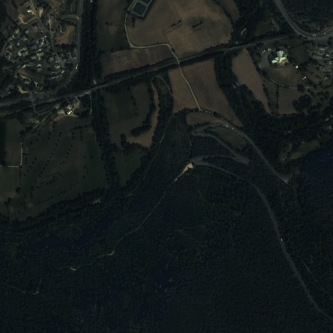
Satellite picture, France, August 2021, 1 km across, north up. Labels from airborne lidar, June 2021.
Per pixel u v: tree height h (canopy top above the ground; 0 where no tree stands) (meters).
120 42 0
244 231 12
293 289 14
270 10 12
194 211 7
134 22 9
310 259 13
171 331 16
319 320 16
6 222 14
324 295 5
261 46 11
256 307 18
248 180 18
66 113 7
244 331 17
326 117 9
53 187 0
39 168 0
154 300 6
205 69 0
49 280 8
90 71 36
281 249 16
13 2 11
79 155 0
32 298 8
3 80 6
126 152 24
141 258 7
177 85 0
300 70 9
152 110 20
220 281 16
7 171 0
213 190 8
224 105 0
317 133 13
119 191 21
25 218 0
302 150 0
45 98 10
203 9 0
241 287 13
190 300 9
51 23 0
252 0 20
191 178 6
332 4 21
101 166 0
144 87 0
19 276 13
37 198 0
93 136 0
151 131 0
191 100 0
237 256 17
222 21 0
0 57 10
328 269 20
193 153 13
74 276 8
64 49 18
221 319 15
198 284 17
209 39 0
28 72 0
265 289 11
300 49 0
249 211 13
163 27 0
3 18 9
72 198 0
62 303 6
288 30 16
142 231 6
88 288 12
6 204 15
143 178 11
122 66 0
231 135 0
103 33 0
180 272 11
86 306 8
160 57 0
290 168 15
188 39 0
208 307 12
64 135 0
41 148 0
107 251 6
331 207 17
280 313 9
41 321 7
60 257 6
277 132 10
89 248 7
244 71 0
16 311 7
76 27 7
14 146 0
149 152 10
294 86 0
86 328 8
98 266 6
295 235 18
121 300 9
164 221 6
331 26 10
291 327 9
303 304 15
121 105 0
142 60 0
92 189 0
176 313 14
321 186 13
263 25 0
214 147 20
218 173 9
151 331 12
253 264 13
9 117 14
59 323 7
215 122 0
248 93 21
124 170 0
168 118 13
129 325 9
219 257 14
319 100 0
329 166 26
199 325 13
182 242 6
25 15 0
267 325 10
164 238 7
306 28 7
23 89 6
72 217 26
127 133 0
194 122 0
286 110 0
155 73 9
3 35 12
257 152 23
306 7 26
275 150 12
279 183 10
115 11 0
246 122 12
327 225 10
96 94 18
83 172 0
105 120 20
